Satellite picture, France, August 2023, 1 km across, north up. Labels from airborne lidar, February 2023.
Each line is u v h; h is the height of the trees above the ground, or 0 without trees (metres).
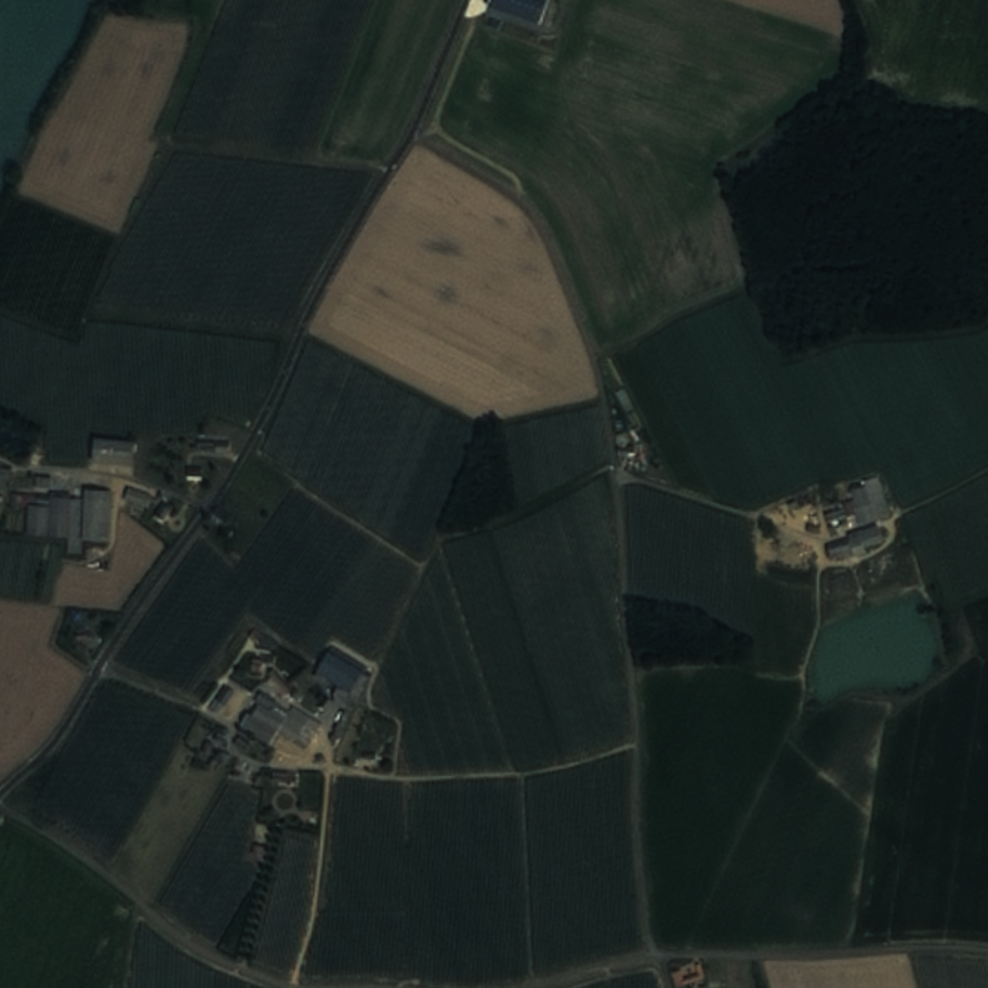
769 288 13
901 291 9
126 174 0
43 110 8
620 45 0
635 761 0
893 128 25
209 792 0
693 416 0
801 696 0
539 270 0
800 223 10
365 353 0
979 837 0
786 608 0
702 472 0
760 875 0
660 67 0
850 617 0
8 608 0
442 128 0
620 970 0
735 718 0
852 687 0
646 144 0
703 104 0
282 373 0
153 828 0
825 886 0
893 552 0
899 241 14
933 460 0
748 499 0
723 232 0
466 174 0
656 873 0
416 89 0
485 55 0
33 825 0
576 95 0
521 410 0
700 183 0
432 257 0
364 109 0
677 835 0
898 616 0
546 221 0
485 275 0
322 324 0
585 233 0
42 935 0
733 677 0
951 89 0
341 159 0
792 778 0
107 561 0
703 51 0
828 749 0
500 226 0
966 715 0
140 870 0
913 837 0
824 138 14
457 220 0
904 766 0
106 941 0
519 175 0
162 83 0
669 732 0
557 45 0
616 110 0
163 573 0
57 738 0
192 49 0
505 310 0
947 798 0
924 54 0
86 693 0
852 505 0
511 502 12
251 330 0
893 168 17
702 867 0
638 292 0
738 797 0
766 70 0
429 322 0
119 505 0
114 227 0
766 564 0
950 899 0
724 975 0
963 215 12
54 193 0
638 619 17
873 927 0
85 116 0
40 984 0
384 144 0
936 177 16
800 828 0
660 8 0
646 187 0
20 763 0
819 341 19
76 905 0
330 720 0
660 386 0
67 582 0
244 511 0
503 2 0
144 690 0
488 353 0
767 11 0
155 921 0
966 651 0
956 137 14
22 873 0
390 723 6
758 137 0
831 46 0
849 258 17
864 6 0
